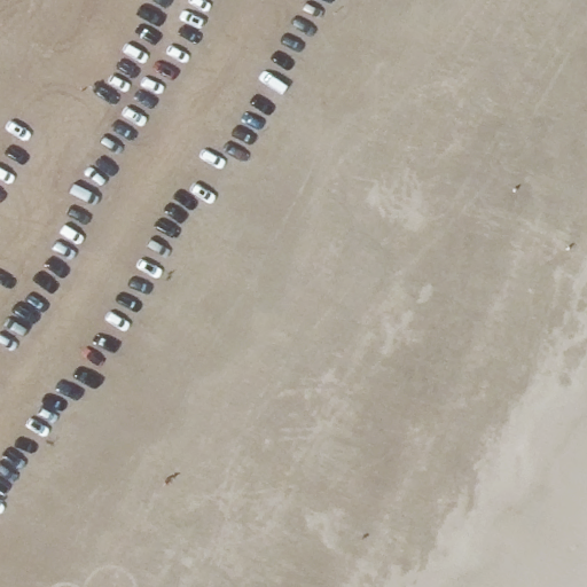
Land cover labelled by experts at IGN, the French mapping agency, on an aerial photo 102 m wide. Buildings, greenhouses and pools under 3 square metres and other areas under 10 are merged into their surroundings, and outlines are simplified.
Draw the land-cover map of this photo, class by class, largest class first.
<instances>
[{"label":"bare soil","instance_id":"1","mask_svg":"<svg viewBox=\"0 0 587 587\"><path fill-rule=\"evenodd\" d=\"M0 587H587V0H0Z\"/></svg>","mask_w":587,"mask_h":587}]
</instances>
